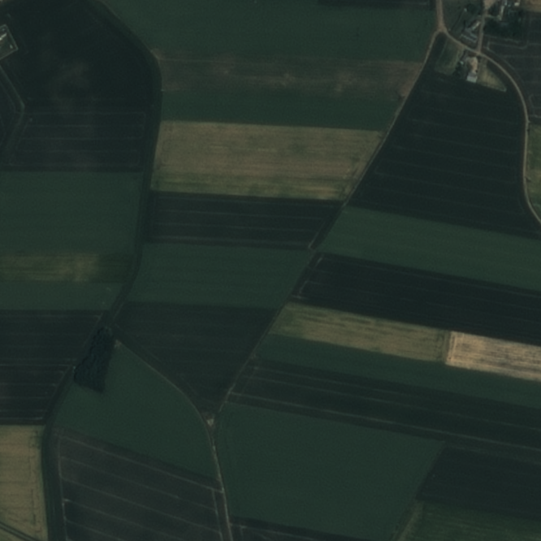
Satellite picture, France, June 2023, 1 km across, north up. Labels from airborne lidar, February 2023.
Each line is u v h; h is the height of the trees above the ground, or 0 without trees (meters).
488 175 0
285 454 0
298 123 0
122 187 0
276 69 0
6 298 0
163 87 0
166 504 0
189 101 0
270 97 0
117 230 0
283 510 0
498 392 0
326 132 0
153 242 0
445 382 0
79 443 0
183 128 0
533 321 0
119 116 0
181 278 0
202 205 0
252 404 0
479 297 0
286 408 0
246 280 0
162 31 0
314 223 0
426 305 0
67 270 0
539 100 0
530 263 0
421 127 0
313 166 0
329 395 0
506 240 0
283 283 0
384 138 0
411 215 0
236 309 0
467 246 0
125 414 0
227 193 0
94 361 13
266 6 0
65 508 0
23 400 0
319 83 0
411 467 0
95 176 0
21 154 0
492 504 0
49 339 0
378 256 0
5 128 0
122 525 0
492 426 0
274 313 0
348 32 0
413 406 0
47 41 0
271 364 0
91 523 0
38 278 0
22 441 0
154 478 0
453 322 0
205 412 0
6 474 0
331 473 0
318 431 0
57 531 0
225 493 0
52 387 0
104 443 0
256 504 0
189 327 0
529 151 0
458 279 0
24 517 0
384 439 0
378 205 0
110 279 0
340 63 0
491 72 0
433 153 0
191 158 0
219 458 0
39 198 0
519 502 0
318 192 0
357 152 0
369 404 0
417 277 0
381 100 0
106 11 0
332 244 0
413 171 0
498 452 0
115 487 0
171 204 0
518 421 0
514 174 0
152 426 0
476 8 8
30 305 0
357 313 0
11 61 0
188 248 0
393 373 0
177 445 0
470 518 0
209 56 0
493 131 0
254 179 0
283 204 0
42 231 0
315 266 0
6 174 0
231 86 0
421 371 0
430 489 0
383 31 0
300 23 0
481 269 0
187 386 0
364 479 0
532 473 0
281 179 0
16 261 0
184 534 0
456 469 0
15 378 0
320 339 0
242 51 0
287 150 0
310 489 0
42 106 0
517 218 0
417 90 0
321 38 0
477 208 0
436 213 0
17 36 0
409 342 0
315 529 0
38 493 0
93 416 0
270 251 0
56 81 0
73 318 0
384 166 0
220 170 0
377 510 0
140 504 0
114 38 0
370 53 0
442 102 0
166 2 0
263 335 0
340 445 0
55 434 0
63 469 0
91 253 0
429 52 0
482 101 0
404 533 0
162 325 0
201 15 0
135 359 0
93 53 0
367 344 0
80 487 0
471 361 0
